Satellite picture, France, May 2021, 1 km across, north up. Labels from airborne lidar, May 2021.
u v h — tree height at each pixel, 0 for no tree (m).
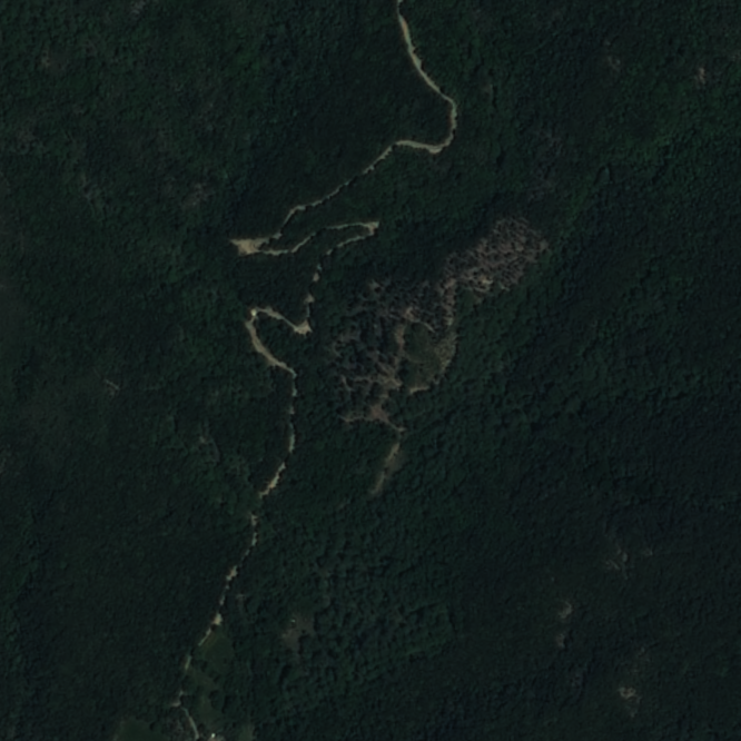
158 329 9
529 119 9
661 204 13
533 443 17
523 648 10
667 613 14
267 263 14
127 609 12
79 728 16
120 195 13
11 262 6
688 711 8
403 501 19
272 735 15
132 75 21
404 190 21
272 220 17
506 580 16
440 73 12
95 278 11
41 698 16
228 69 16
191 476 18
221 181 13
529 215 10
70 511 8
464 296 18
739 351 15
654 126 18
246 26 7
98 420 6
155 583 17
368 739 13
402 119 12
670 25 11
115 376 7
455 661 21
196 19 15
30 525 12
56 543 7
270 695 20
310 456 25
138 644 14
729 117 17
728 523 18
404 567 21
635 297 21
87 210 9
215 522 16
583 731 14
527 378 20
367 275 12
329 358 19
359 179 15
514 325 18
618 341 17
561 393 19
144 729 0
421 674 21
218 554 21
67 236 14
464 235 12
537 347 19
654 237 11
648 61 13
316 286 19
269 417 17
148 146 7
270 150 9
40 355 7
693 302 15
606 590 13
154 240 21
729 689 14
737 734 17
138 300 12
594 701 6
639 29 10
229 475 17
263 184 10
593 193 17
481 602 18
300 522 16
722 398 17
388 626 26
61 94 7
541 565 13
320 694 18
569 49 11
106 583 12
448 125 11
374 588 24
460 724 21
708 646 14
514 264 9
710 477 17
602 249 13
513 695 18
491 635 13
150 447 16
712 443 13
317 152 17
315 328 13
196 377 19
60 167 12
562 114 9
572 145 12
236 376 15
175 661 17
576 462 17
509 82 9
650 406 13
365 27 8
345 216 20
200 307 17
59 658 16
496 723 18
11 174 7
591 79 9
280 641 9
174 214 12
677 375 22
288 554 23
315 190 17
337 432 29
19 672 11
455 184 11
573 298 12
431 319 11
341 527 24
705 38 8
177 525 14
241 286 10
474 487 15
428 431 11
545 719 11
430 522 14
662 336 19
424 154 9
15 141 10
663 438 15
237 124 19
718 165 11
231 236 15
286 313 15
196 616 13
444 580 21
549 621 14
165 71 6
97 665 20
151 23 10
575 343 16
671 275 21
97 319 12
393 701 21
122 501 9
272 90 9
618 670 7
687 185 8
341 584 28
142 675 18
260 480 21
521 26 9
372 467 20
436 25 9
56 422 6
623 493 21
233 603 24
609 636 11
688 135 14
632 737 15
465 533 15
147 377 13
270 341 14
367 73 13
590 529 7
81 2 24
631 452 12
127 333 9
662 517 15
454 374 21
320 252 13
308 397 26
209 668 21
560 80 12
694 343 16
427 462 17
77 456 8
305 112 9
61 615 13
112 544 13
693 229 9
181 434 22
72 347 10
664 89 16
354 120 13
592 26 10
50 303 13
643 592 14
